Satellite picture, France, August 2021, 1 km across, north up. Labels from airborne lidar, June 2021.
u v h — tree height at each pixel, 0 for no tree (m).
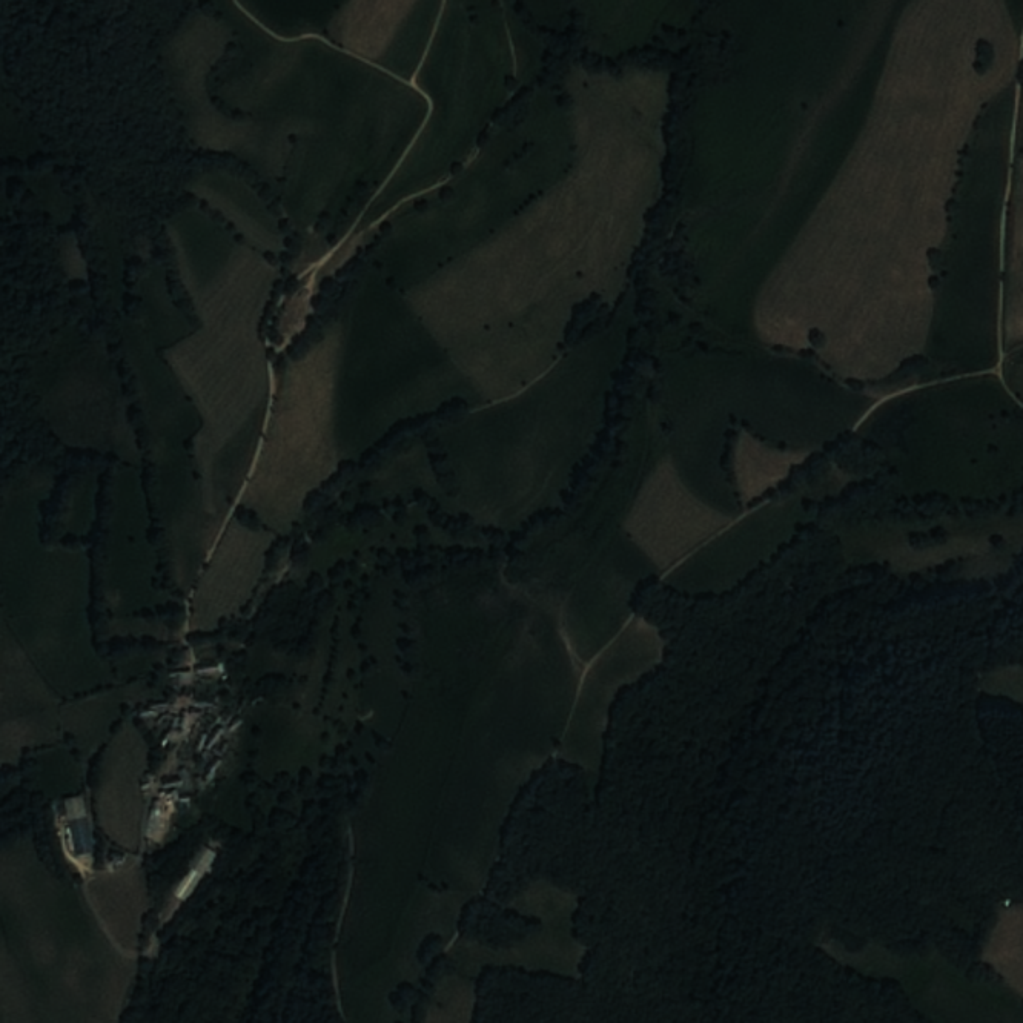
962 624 18
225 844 10
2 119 0
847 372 0
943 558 0
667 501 0
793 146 0
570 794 18
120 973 0
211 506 0
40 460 23
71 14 9
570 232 0
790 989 19
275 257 10
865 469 19
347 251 0
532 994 14
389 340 0
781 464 0
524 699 0
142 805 0
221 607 0
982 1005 0
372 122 0
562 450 0
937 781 23
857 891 23
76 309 17
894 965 0
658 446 0
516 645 0
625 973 15
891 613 20
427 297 0
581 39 17
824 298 0
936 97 0
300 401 0
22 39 21
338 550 0
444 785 0
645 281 16
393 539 9
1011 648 16
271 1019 14
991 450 8
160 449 0
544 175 0
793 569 23
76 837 0
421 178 0
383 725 0
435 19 0
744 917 27
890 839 21
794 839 23
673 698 22
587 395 0
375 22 0
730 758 23
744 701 26
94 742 0
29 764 13
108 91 16
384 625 0
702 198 0
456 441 0
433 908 0
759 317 0
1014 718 30
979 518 23
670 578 0
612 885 21
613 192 0
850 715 17
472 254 0
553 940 0
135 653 14
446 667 0
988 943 12
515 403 0
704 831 26
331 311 17
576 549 0
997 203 0
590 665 0
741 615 21
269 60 0
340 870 20
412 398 0
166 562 13
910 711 15
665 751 16
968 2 0
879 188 0
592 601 0
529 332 0
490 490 0
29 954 0
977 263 0
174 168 19
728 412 0
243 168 15
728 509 0
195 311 9
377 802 0
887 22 0
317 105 0
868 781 19
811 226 0
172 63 0
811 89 0
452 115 0
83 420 0
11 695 0
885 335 0
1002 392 0
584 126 0
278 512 0
